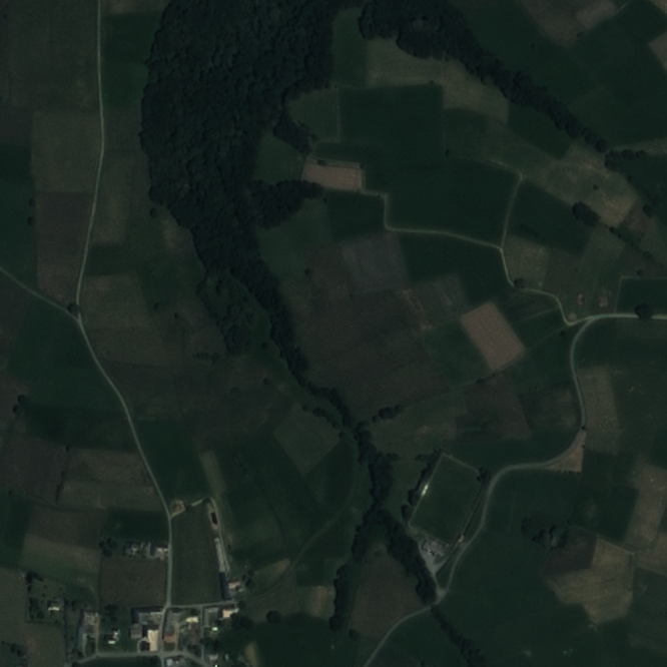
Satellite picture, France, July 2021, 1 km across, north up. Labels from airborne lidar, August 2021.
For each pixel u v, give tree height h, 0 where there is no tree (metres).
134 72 0
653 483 0
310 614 0
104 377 0
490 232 0
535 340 0
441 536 0
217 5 25
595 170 0
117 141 0
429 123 0
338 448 0
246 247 20
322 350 0
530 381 0
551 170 0
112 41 0
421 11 32
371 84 0
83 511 0
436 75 0
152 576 0
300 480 0
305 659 0
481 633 0
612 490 0
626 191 0
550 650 0
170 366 0
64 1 0
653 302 0
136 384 0
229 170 23
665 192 0
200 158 14
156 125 18
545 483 0
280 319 17
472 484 0
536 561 0
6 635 0
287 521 0
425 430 0
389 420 16
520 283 11
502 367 0
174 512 0
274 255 0
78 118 0
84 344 0
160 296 0
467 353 0
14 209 0
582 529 0
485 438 0
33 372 0
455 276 0
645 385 0
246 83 30
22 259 0
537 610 0
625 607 0
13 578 0
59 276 0
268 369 0
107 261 0
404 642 0
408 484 0
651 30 0
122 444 0
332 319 0
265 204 21
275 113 11
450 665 0
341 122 0
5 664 0
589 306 0
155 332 0
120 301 0
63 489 6
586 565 0
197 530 0
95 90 0
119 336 0
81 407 0
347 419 11
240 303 10
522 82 25
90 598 0
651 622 0
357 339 0
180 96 22
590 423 0
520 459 0
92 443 0
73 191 0
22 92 0
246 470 8
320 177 0
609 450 0
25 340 0
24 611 0
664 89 0
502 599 0
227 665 0
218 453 0
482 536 0
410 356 0
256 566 0
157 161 17
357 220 0
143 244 0
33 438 0
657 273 0
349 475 0
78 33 0
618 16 0
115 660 0
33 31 0
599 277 0
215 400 0
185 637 0
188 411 0
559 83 0
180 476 0
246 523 0
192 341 0
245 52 35
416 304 0
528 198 0
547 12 0
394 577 0
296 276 0
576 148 0
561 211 0
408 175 0
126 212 0
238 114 21
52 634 0
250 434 0
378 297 0
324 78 17
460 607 0
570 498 0
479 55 22
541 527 0
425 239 0
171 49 20
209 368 0
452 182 0
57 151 0
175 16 25
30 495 0
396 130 0
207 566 0
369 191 0
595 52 0
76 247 0
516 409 0
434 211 0
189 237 0
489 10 0
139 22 0
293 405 0
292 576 0
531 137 0
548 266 0
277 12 23
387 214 0
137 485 0
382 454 14
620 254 0
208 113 30
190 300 0
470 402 0
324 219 0
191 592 0
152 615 0
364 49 0
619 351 0
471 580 0
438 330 0
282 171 0
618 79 0
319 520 0
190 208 31
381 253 0
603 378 0
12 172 0
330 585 0
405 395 0
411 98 0
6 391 0
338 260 0
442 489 0
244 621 13
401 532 22
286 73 29
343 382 0
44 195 0
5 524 0
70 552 0
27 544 0
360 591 0
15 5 0
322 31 25
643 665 0
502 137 0
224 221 35
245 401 0
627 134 0
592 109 0
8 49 0
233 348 15
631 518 0
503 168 0
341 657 0
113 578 0
